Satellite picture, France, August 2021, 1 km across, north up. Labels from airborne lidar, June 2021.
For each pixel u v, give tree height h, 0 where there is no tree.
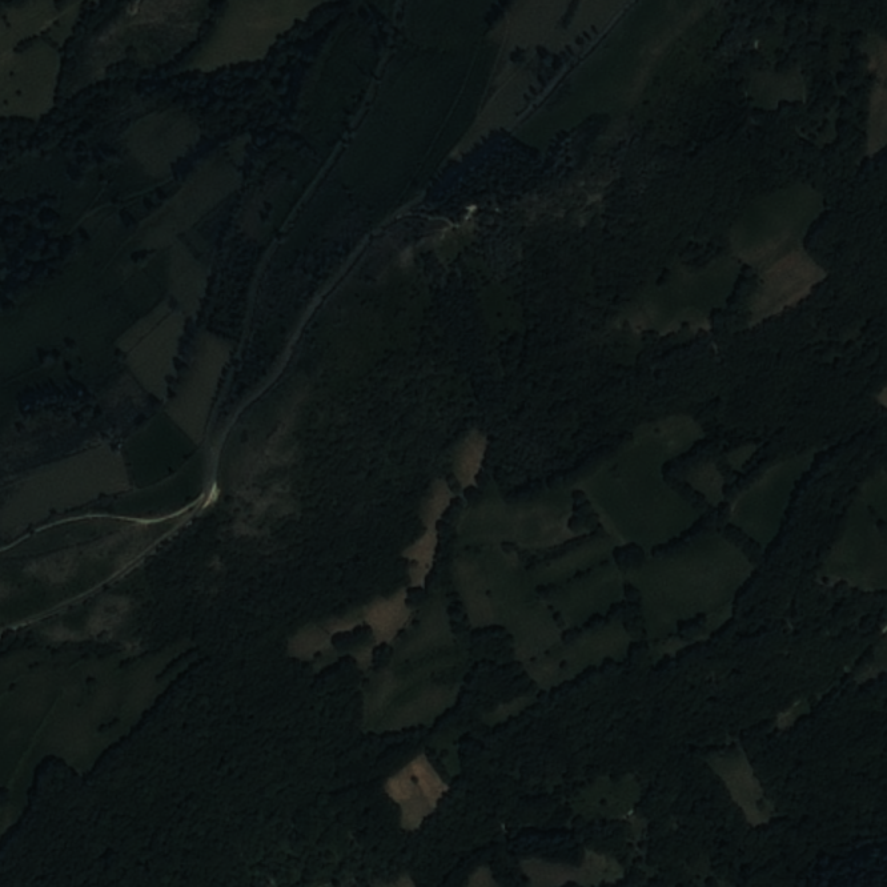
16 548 0
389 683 0
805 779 27
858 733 26
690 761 23
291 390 0
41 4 0
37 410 17
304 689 22
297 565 8
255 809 14
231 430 0
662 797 19
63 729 0
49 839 28
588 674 12
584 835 16
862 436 24
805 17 10
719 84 7
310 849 14
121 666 7
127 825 23
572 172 8
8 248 8
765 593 17
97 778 18
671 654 0
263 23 0
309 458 6
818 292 14
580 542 8
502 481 14
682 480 16
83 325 0
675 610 0
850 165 25
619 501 0
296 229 0
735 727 16
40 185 0
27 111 0
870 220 26
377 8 0
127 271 0
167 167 0
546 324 11
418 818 0
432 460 8
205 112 20
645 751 23
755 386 14
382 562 23
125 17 0
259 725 18
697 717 27
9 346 0
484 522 0
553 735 13
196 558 17
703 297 0
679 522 0
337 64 0
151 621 7
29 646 8
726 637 19
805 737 20
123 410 0
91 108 14
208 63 0
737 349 17
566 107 0
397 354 9
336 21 10
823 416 17
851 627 12
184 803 13
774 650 13
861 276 22
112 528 0
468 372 18
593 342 9
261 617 18
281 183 0
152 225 0
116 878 21
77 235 0
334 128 0
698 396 26
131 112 0
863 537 0
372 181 0
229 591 10
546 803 22
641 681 20
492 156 20
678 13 0
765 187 23
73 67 15
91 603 8
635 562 22
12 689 8
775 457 21
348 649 17
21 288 18
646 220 19
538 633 0
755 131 16
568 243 23
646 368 14
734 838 27
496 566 0
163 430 0
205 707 19
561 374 17
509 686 17
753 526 0
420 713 0
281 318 6
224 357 0
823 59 19
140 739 18
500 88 0
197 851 13
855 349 10
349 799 20
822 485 25
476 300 15
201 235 0
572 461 9
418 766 0
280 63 15
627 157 11
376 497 9
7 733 0
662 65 0
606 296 8
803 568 15
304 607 22
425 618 0
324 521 10
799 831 20
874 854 33
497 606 0
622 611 17
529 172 17
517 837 22
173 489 0
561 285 13
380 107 0
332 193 0
